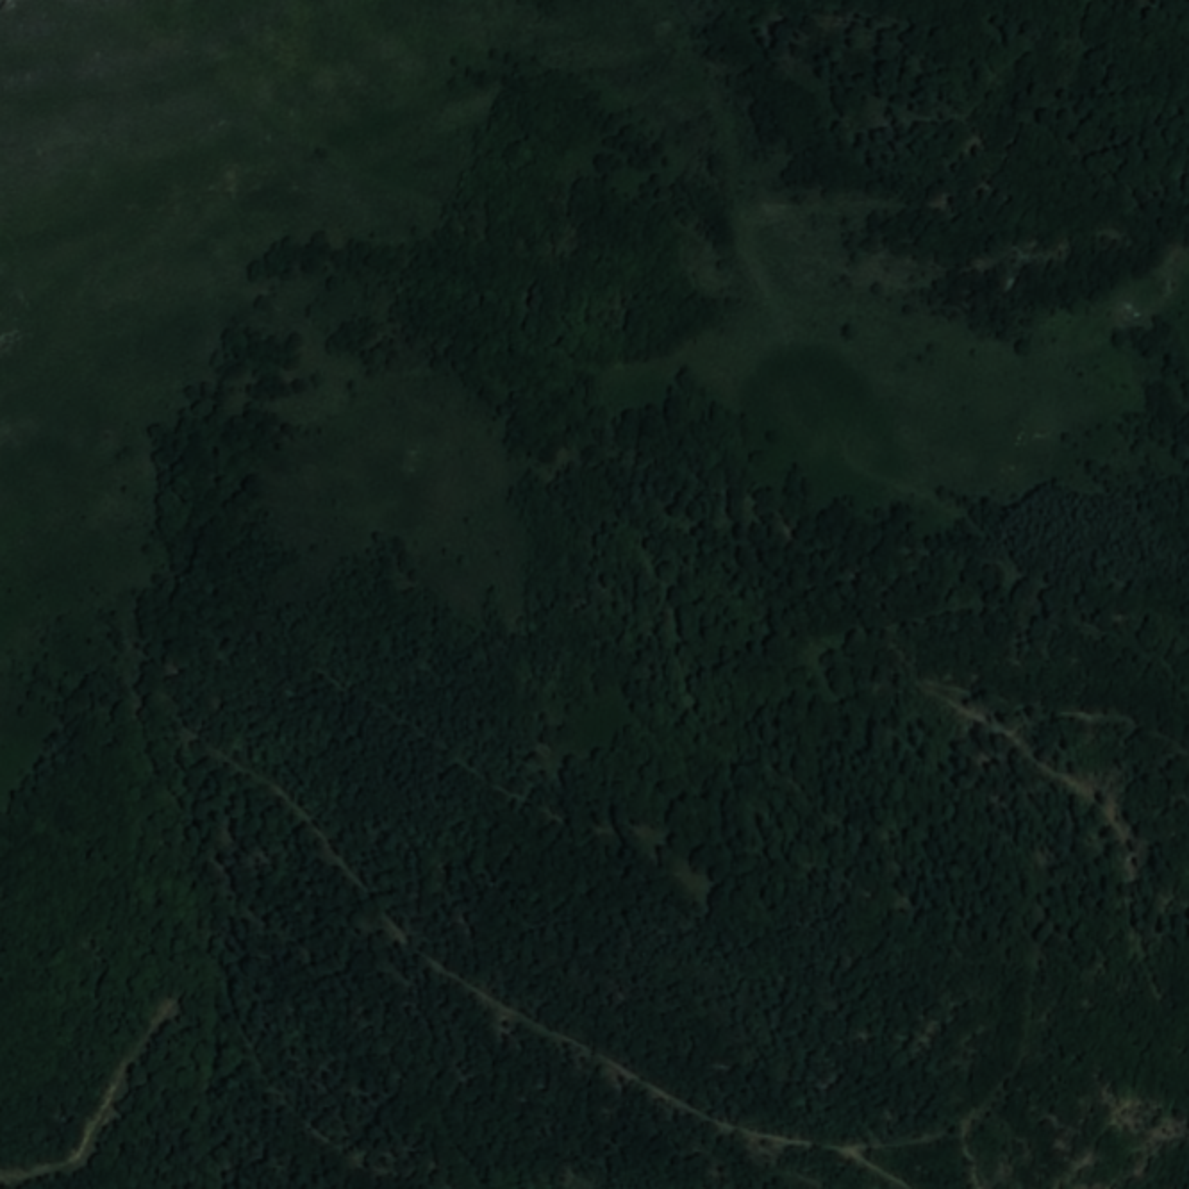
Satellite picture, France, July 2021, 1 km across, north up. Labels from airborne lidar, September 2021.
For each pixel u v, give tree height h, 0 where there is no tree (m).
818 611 19
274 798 11
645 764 16
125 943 23
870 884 24
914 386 0
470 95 0
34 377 0
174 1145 23
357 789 21
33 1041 18
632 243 21
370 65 0
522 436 18
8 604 0
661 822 26
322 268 14
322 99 0
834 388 0
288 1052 18
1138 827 30
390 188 0
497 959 15
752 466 17
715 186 8
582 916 21
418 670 19
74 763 20
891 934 22
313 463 0
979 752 11
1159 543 20
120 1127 16
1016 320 8
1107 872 28
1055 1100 14
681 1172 21
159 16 0
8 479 0
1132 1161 12
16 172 0
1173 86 20
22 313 0
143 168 0
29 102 0
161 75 0
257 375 12
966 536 9
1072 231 15
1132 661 11
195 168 0
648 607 22
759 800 29
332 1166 15
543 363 22
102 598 8
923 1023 9
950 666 14
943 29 13
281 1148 14
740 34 16
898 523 12
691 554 25
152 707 21
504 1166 24
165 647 9
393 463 0
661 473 16
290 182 0
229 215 0
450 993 21
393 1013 18
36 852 23
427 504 0
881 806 26
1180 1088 14
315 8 0
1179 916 11
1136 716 15
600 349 18
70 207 0
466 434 0
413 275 10
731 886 20
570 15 0
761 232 0
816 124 16
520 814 23
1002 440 0
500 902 19
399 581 13
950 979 16
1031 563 19
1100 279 18
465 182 11
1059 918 28
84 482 0
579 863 25
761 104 10
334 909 14
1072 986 9
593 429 20
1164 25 33
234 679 11
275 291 6
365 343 10
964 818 24
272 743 22
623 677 17
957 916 23
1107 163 26
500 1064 16
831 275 0
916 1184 11
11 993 24
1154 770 10
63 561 0
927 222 18
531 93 16
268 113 0
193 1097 29
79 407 0
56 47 0
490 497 0
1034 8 18
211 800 21
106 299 0
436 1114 21
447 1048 17
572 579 17
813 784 29
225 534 14
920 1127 22
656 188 12
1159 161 27
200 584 18
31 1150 18
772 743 29
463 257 13
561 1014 16
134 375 0
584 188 15
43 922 22
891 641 27
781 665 19
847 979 14
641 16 0
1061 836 19
